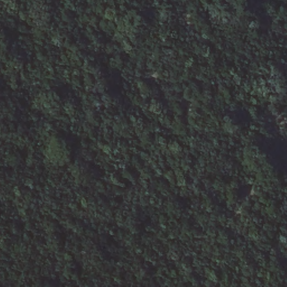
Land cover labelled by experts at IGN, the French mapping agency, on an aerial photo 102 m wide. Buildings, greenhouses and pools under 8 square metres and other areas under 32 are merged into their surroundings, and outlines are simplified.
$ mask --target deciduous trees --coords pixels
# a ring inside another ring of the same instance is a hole
[[[287,0],[0,0],[0,287],[287,287]]]

